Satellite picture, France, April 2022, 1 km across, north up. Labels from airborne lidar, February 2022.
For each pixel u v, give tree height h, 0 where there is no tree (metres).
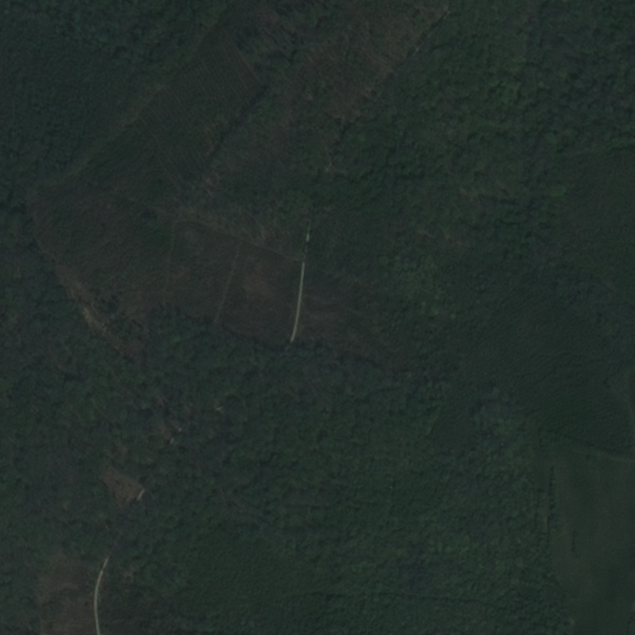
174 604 8
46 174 22
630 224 11
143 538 29
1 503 28
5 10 18
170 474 28
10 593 27
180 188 0
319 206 19
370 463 26
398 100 30
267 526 28
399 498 19
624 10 28
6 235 31
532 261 19
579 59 30
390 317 5
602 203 14
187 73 7
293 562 14
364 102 24
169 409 16
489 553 9
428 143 28
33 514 26
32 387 30
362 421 29
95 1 32
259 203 25
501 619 17
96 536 28
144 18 9
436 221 33
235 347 30
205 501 29
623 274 16
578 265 17
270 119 23
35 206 7
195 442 30
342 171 32
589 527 0
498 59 27
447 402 26
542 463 0
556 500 12
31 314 27
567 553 0
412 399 15
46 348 33
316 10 27
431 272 21
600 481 0
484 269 20
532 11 29
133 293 9
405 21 21
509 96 35
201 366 31
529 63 30
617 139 28
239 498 25
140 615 0
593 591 0
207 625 33
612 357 7
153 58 18
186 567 31
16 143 22
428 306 18
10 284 31
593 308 18
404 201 28
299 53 14
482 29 28
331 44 21
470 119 35
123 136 6
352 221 21
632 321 21
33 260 29
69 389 28
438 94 32
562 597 12
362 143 27
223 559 11
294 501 32
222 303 0
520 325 8
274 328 0
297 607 14
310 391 33
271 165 20
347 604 20
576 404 6
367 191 10
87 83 13
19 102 18
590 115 29
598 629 0
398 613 22
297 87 20
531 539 13
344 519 28
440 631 22
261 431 30
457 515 16
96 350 29
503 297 15
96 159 9
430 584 24
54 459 32
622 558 0
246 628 16
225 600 12
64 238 6
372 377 28
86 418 29
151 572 34
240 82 0
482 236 26
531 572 15
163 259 6
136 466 26
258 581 12
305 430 31
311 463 31
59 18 24
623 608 0
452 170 15
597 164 13
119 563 28
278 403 27
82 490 26
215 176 24
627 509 0
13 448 27
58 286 22
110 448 28
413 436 28
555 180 24
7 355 29
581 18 27
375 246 22
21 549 22
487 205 32
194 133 7
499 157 35
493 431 25
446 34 28
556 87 30
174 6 19
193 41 12
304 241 19
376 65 20
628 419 8
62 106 15
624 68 30
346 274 17
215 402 23
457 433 6
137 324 12
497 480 10
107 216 7
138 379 26
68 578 0
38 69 16
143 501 0
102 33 32
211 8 29
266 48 31
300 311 0
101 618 0
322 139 27
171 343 29
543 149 30
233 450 32
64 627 0
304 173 26
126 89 16
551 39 32
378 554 29
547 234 27
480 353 7
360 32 20
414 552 26
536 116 28
